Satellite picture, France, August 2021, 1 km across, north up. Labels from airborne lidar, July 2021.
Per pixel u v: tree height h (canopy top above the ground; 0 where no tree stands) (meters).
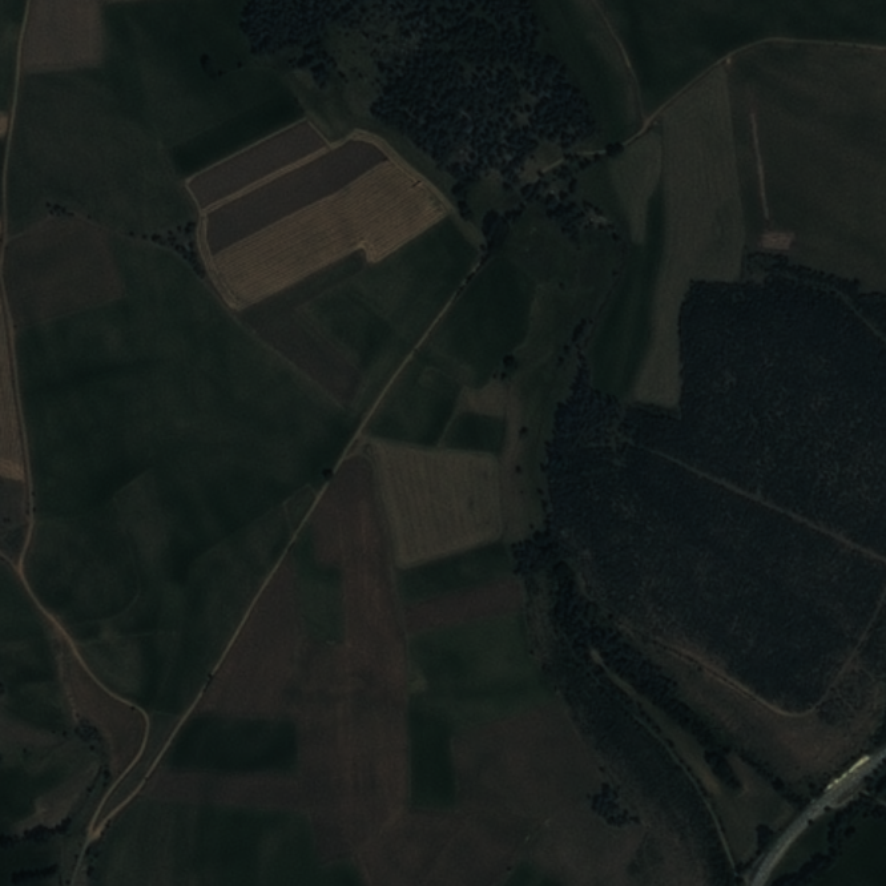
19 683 0
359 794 0
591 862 0
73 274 0
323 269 0
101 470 0
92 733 6
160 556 0
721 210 0
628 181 0
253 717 0
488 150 13
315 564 0
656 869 0
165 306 0
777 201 0
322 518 0
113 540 0
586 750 0
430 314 0
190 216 0
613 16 0
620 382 0
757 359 5
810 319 6
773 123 0
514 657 0
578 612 21
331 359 0
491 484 0
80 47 0
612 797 9
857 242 0
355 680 0
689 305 6
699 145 0
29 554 0
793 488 6
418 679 0
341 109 0
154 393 0
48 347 0
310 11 14
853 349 6
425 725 0
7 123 0
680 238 0
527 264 0
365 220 0
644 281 0
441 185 0
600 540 5
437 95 13
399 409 0
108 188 0
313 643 0
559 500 6
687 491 6
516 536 0
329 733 0
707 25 0
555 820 0
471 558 0
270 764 0
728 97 0
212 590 0
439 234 0
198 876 0
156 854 0
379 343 0
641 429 7
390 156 0
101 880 0
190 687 0
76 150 0
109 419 0
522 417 0
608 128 0
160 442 0
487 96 14
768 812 0
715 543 5
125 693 0
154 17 0
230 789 0
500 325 0
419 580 0
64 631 0
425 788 0
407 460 0
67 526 0
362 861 0
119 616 0
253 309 0
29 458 0
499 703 0
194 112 0
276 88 0
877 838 0
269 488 0
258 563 0
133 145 0
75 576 0
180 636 0
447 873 0
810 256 0
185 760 0
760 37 0
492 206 0
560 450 7
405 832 0
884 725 6
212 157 0
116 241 0
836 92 0
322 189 0
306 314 0
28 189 0
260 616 0
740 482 6
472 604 0
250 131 0
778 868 0
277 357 0
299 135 0
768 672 6
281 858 0
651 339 0
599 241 0
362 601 0
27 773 0
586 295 0
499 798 0
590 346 0
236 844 0
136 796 0
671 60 0
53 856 0
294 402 0
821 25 0
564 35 0
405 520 0
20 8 0
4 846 16
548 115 11
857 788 0
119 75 0
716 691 0
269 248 0
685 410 6
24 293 0
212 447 0
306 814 0
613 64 0
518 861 0
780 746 0
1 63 0
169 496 0
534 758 0
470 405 0
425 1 14
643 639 6
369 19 6
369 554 0
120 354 0
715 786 0
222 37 0
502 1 15
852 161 0
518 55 12
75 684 0
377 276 0
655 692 19
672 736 0
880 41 0
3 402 0
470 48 12
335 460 0
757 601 6
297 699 0
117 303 0
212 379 0
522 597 0
